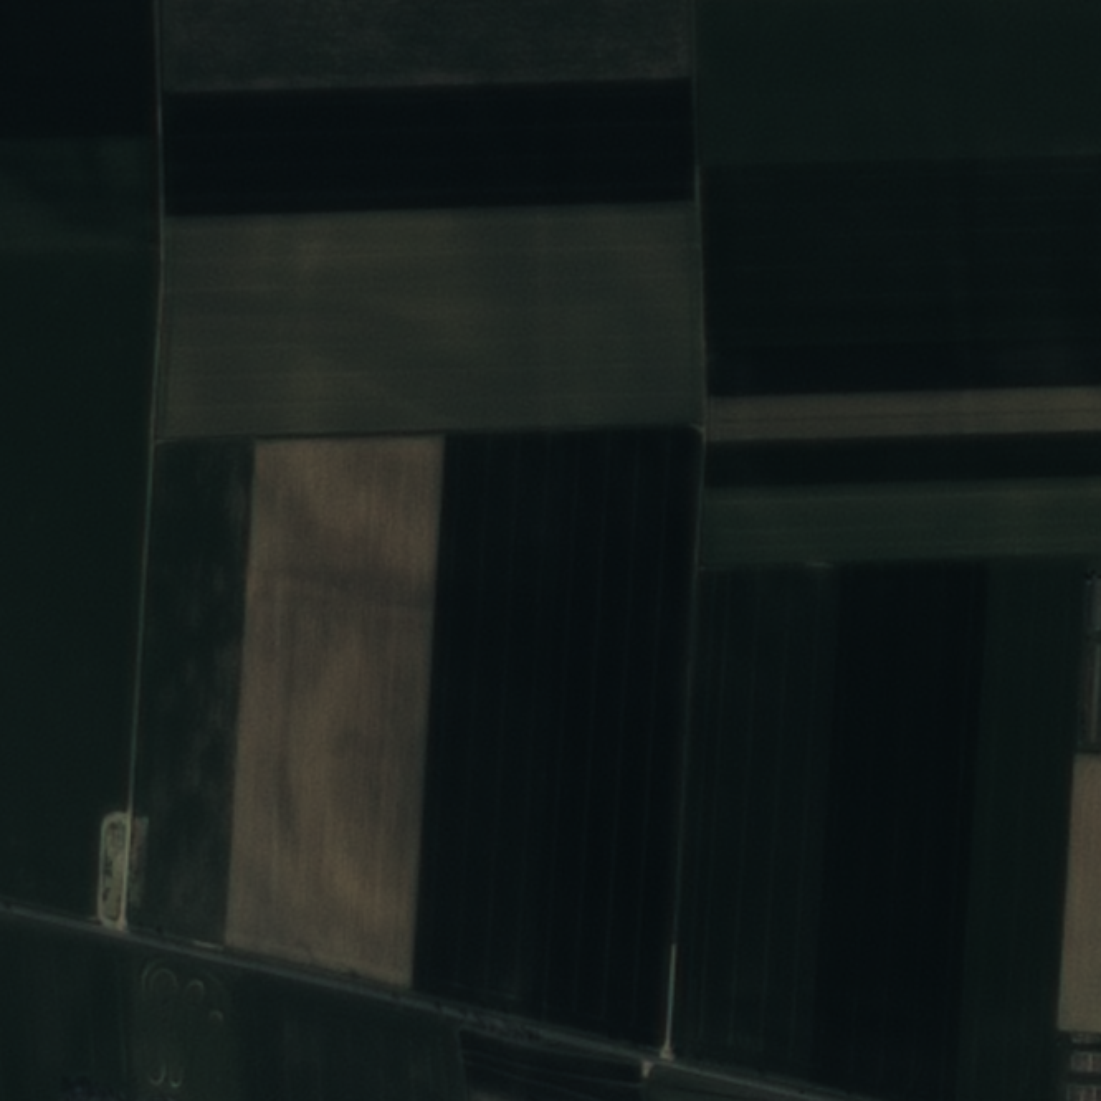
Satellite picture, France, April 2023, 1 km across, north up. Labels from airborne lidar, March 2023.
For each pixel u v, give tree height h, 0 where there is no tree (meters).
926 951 0
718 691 0
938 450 0
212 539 0
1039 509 0
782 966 0
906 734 0
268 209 0
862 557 0
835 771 0
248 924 0
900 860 0
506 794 0
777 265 0
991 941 0
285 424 0
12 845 0
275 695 0
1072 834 0
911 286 0
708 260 0
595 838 0
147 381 0
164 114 0
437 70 0
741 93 0
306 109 0
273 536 0
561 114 0
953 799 0
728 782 0
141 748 0
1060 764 0
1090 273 0
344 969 0
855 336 0
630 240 0
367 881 0
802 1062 0
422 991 0
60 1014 0
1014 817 0
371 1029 0
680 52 0
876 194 0
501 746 0
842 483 0
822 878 0
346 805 0
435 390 0
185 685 0
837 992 0
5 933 0
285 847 0
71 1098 15
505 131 0
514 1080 0
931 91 0
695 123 0
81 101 0
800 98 0
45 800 0
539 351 0
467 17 0
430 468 0
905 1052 0
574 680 0
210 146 0
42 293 0
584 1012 0
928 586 0
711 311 0
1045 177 0
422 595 0
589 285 0
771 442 0
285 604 0
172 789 0
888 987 0
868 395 0
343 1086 0
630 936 0
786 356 0
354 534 0
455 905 0
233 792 0
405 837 0
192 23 0
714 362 0
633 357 0
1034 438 0
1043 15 0
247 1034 0
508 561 0
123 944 0
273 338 0
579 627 0
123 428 0
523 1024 0
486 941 0
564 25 0
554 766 0
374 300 0
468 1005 0
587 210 0
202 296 0
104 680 0
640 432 0
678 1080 0
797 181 0
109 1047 0
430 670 0
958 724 0
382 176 0
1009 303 0
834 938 0
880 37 0
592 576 0
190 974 0
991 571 0
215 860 0
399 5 0
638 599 0
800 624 0
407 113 0
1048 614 0
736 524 0
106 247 0
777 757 0
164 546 0
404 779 0
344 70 0
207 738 0
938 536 0
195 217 0
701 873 0
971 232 0
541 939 0
